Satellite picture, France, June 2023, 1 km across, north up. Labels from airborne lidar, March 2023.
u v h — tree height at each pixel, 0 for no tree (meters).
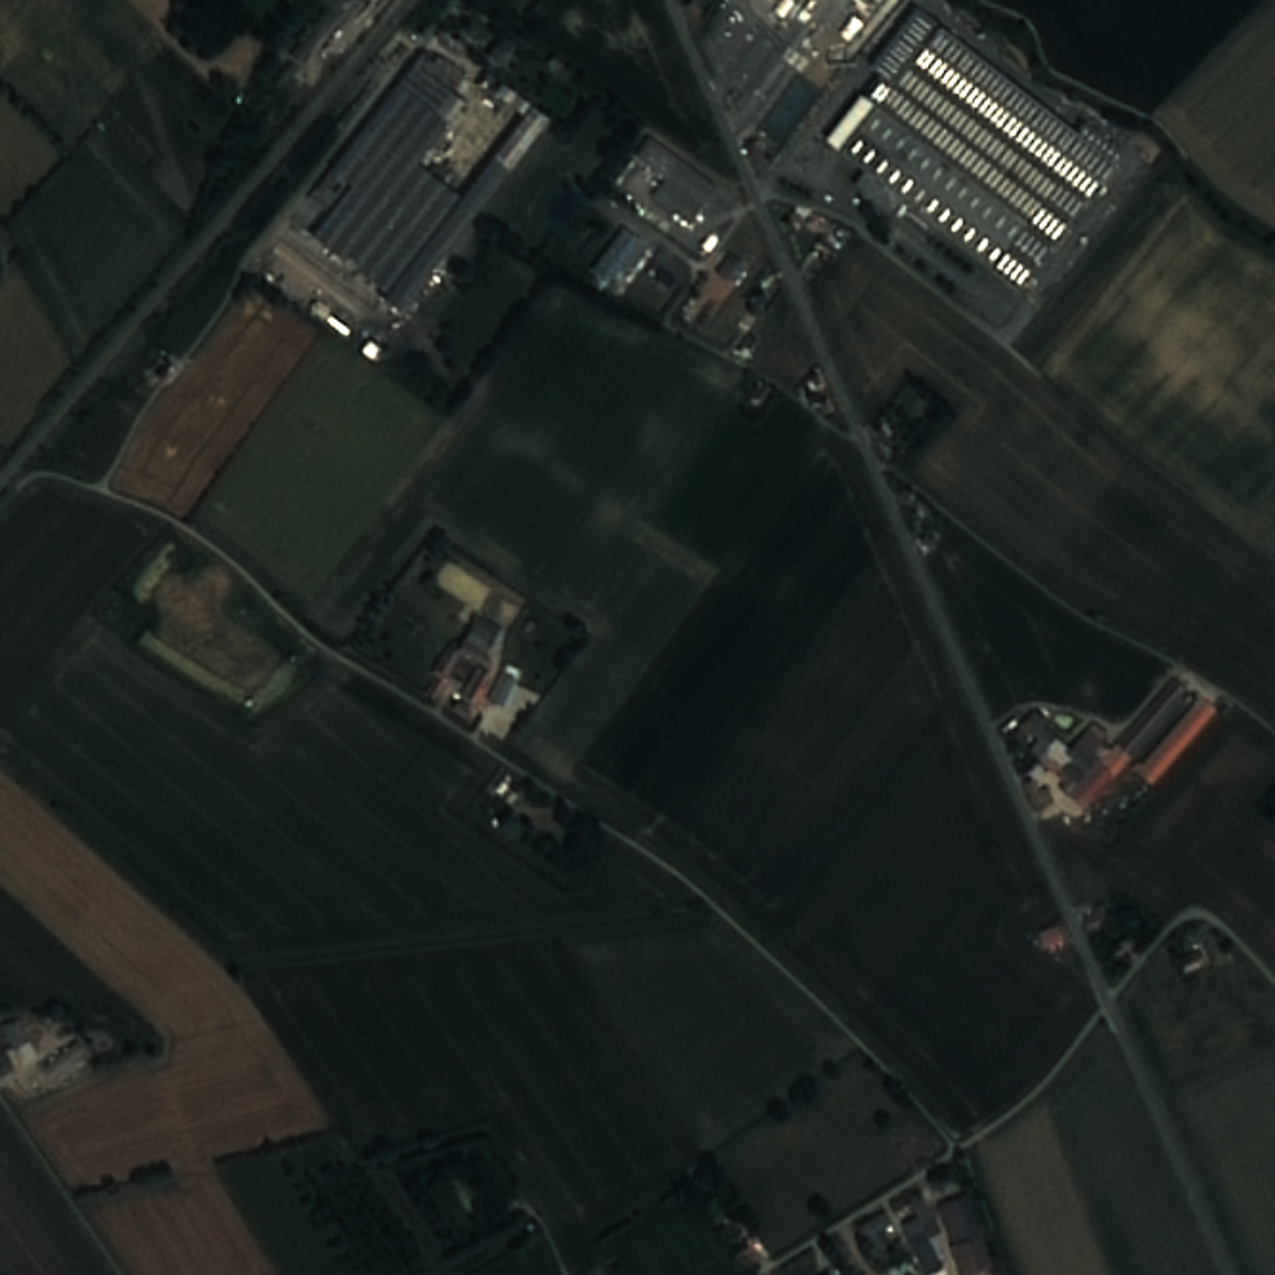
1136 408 0
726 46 0
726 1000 0
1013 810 0
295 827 0
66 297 0
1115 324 0
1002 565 0
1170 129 0
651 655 0
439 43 0
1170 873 0
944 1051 0
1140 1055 0
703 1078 0
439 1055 0
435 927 0
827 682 0
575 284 10
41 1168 0
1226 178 0
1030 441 0
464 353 0
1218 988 0
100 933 0
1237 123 0
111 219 0
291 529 0
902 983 0
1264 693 0
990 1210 0
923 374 0
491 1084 0
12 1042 0
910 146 0
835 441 0
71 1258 0
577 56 0
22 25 0
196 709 0
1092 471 0
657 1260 0
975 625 0
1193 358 0
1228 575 0
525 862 0
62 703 0
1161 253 0
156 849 0
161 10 0
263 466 0
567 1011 0
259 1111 0
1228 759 0
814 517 0
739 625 0
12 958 0
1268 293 0
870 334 0
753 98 0
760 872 0
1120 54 0
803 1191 0
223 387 0
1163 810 0
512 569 0
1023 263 0
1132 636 0
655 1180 0
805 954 0
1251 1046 0
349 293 0
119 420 0
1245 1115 0
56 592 0
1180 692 0
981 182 0
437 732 0
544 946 0
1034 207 0
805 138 0
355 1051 0
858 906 0
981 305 0
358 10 0
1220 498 0
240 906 0
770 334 0
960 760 0
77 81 0
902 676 0
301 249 0
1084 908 0
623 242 0
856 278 0
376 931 0
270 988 0
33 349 0
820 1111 0
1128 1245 0
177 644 0
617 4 0
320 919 0
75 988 0
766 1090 0
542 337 0
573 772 0
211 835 0
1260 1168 0
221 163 14
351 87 0
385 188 0
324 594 0
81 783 0
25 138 0
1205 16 0
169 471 0
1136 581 0
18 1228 0
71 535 0
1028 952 0
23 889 0
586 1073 0
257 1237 0
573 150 0
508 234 17
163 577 0
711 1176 20
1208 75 0
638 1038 0
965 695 0
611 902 0
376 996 0
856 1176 0
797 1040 0
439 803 0
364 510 0
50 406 0
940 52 0
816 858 0
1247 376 0
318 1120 0
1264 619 0
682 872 0
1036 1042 0
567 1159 0
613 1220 0
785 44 0
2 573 0
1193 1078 0
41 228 0
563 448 0
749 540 0
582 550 0
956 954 0
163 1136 0
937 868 0
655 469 0
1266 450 0
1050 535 0
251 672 0
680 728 0
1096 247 0
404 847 0
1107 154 0
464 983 0
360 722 0
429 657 0
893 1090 14
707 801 0
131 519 0
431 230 0
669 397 0
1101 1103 0
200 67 0
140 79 0
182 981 0
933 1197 0
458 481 0
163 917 0
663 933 0
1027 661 0
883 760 0
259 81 9
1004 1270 0
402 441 0
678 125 0
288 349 0
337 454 0
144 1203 0
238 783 0
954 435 0
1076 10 0
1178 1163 0
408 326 0
